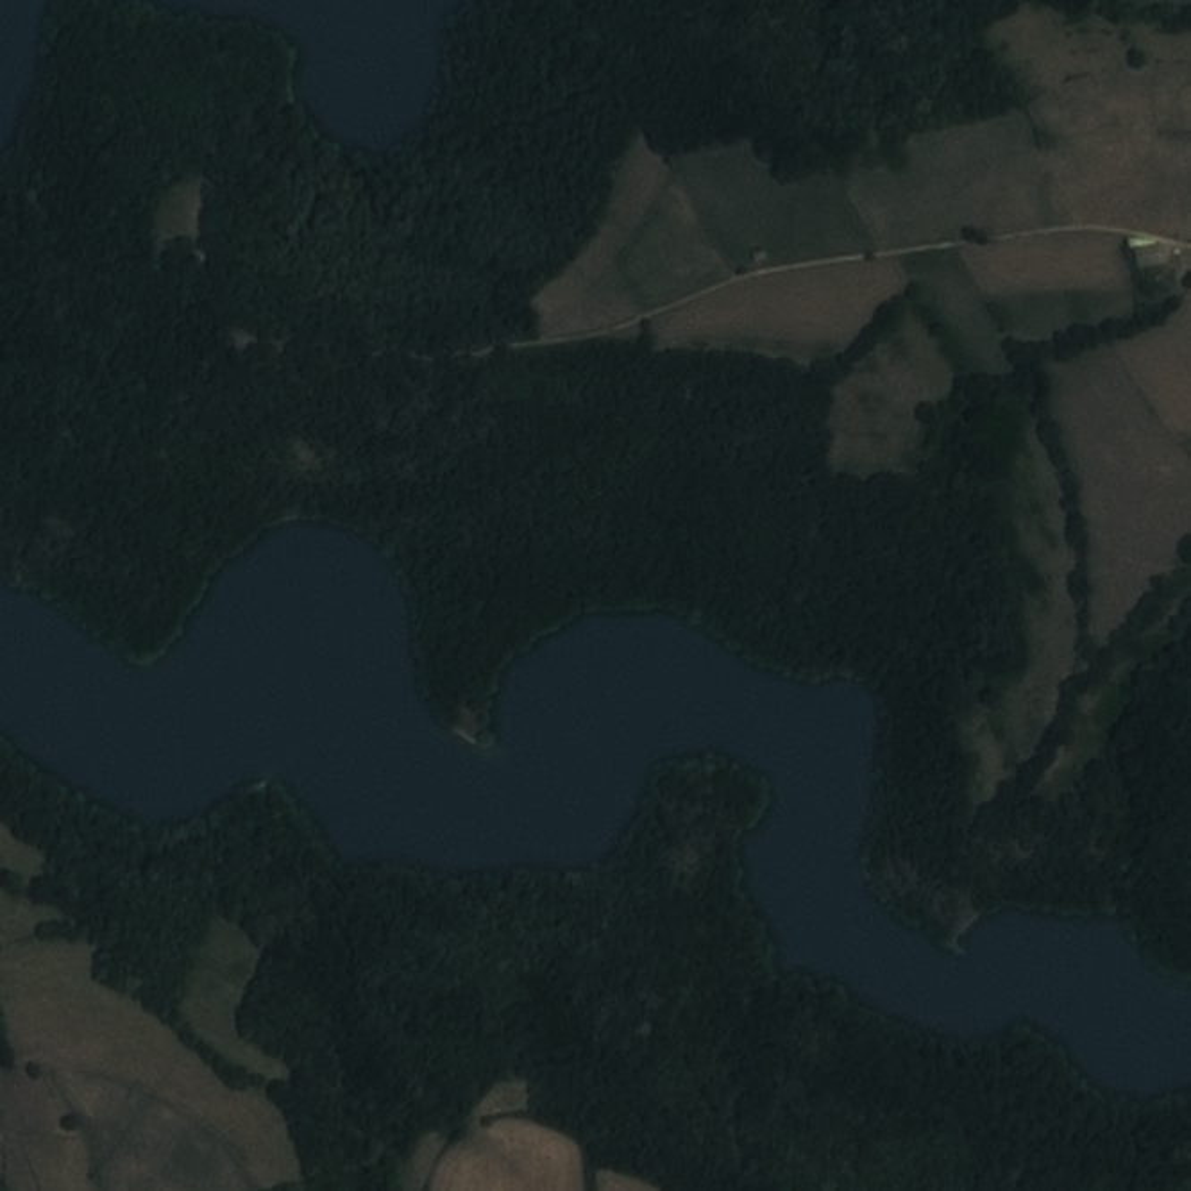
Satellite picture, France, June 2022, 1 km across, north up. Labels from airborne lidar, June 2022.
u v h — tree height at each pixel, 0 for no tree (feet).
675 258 0
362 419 30
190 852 70
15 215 38
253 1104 0
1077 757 0
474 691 35
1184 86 0
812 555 48
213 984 0
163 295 36
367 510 37
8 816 51
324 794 0
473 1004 56
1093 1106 74
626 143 49
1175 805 77
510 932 63
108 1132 0
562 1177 0
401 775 0
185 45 58
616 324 0
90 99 53
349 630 0
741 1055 60
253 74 31
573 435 42
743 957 61
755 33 55
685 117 50
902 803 45
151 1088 0
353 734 0
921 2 61
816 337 0
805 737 0
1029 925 0
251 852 52
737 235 0
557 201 58
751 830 31
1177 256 0
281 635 0
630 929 60
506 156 61
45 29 35
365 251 69
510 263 53
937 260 0
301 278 63
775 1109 45
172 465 32
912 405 0
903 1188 50
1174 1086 0
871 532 51
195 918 54
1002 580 61
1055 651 0
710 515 73
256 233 39
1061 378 0
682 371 34
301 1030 45
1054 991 0
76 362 56
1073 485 31
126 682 0
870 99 68
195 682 0
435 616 49
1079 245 0
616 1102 47
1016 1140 58
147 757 0
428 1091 39
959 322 0
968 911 29
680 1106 53
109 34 46
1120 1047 0
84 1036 0
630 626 0
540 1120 35
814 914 0
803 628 52
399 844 0
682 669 0
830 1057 59
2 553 30
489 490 28
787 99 62
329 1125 61
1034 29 0
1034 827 51
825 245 0
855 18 81
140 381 39
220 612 0
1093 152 0
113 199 43
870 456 0
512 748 0
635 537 63
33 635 0
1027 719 0
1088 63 0
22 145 40
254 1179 0
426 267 64
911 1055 85
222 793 0
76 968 0
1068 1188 54
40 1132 0
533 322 41
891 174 0
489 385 20
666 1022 60
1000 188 0
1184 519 0
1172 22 50
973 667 79
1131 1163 51
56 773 0
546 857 0
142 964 50
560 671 0
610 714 0
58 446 22
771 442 45
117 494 51
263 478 30
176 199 0
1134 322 21
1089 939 0
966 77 55
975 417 51
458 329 40
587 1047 52
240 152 58
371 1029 56
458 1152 0
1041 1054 49
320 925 65
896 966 0
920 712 45
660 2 66
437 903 72
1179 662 62
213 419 51
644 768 0
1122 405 0
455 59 45
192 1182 0
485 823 0
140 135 32
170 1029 29
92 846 71
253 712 0
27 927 0
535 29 57
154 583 34
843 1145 59
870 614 77
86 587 28
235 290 39
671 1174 53
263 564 0
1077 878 63
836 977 0
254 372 34
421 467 33
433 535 47
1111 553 0
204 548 29
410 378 31
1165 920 50
